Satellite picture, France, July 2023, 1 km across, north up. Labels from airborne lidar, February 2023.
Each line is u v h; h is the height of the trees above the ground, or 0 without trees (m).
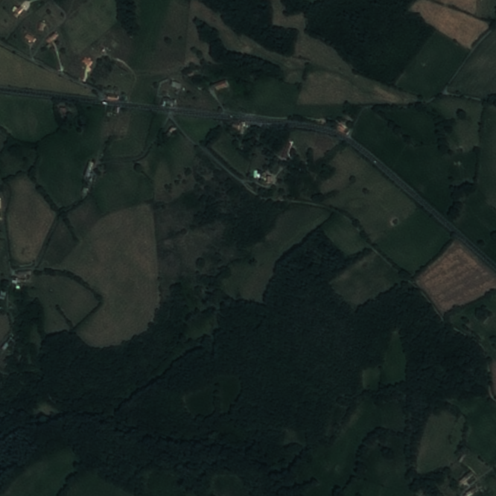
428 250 0
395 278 0
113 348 10
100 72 0
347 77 0
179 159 0
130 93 0
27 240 0
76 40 0
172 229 0
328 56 0
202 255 0
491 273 0
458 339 12
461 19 0
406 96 0
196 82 8
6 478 29
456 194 18
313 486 15
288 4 14
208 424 18
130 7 19
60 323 0
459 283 0
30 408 12
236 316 18
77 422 24
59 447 6
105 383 15
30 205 0
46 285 0
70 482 15
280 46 19
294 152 13
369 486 0
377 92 0
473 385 13
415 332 14
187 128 0
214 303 29
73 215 0
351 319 14
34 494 0
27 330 14
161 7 0
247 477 25
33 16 0
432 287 0
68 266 0
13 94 0
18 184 0
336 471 0
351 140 0
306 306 9
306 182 0
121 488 11
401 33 5
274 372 16
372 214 0
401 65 6
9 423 21
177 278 0
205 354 15
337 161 0
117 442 24
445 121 7
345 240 0
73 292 0
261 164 0
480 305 0
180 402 17
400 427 0
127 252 0
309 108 0
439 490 9
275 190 11
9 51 0
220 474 25
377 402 15
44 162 0
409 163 0
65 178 0
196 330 0
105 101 0
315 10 16
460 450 10
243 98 0
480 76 0
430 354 10
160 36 0
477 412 0
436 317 9
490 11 0
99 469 20
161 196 0
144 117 0
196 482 26
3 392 9
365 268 0
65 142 0
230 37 0
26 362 18
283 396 14
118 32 0
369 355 17
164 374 9
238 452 16
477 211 0
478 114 0
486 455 0
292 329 12
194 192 0
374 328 16
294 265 25
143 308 0
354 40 9
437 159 0
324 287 14
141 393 26
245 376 15
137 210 0
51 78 0
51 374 19
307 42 0
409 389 10
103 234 0
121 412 19
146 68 0
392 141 0
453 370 16
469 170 0
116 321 0
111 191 0
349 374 10
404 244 0
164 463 25
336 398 13
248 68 19
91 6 0
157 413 26
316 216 0
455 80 0
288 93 0
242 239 11
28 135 0
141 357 18
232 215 12
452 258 0
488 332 0
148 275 0
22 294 8
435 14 0
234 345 17
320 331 9
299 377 12
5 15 0
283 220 0
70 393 7
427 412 12
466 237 0
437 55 0
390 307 15
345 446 0
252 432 22
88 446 24
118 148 0
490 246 0
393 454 15
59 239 0
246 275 0
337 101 0
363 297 0
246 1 19
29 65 0
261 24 15
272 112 0
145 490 16
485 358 14
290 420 16
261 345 15
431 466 0
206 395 0
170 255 0
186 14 0
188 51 0
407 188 0
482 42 0
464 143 0
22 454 28
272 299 14
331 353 11
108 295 0
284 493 25
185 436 10
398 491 0
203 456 25
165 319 16
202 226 7
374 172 0
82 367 13
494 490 0
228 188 6
